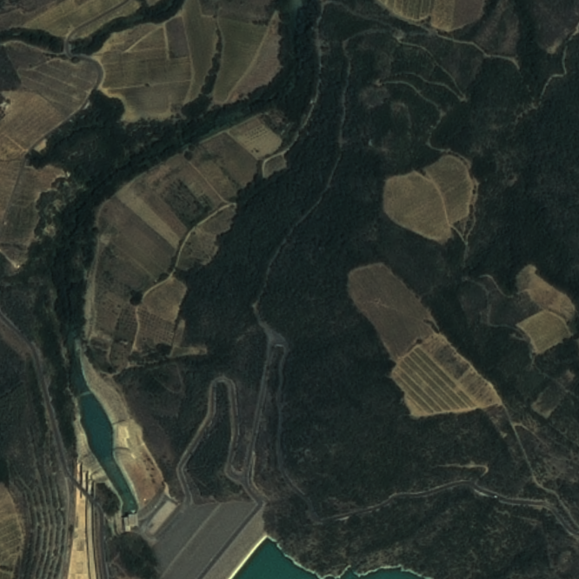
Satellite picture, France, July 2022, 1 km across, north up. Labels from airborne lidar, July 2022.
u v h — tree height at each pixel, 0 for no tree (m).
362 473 7
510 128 6
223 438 6
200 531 0
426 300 6
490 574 6
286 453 7
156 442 0
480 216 6
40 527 7
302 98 6
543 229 10
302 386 5
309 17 11
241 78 0
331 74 8
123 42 0
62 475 0
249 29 0
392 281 0
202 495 7
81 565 0
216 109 10
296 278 6
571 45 6
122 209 0
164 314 0
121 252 0
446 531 7
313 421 5
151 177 0
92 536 0
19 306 9
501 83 7
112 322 0
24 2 0
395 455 6
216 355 6
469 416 7
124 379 6
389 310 0
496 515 5
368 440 6
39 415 6
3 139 0
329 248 7
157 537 0
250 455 0
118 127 9
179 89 0
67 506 0
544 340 0
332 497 7
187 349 0
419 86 7
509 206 7
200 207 6
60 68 0
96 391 0
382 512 7
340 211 7
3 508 0
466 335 6
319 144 7
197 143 16
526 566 7
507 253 11
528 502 0
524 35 13
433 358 0
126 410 0
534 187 8
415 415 0
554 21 0
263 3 0
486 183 6
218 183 0
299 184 6
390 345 0
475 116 7
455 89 10
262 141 0
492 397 0
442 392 0
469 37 7
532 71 13
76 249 20
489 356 7
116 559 0
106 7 0
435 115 7
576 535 0
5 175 0
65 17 0
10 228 0
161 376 7
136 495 0
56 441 0
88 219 18
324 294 6
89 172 14
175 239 0
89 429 0
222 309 7
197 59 0
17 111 0
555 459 0
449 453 6
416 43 7
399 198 0
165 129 12
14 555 0
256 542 0
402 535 7
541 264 6
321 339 6
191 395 6
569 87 6
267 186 8
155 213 0
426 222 0
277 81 13
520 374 6
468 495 7
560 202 6
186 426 6
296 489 0
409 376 0
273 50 0
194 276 7
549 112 8
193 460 6
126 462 0
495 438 6
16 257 0
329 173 7
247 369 6
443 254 6
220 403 6
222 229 0
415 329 0
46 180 0
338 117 6
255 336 7
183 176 0
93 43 13
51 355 20
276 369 7
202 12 0
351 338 6
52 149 14
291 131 7
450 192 0
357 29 5
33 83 0
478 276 7
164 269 0
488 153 8
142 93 0
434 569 6
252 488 0
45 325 7
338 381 6
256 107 21
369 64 5
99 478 0
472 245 7
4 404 7
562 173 7
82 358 0
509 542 6
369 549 5
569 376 0
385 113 6
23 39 7
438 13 0
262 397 0
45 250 7
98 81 0
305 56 21
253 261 8
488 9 8
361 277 0
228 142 0
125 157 21
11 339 0
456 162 0
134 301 11
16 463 8
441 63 7
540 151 6
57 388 5
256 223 8
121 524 0
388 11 6
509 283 7
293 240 7
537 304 0
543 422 7
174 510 0
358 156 6
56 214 10
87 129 14
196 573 0
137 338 0
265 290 8
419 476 6
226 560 0
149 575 6
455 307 6
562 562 0
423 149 6
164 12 14
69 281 19
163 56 0
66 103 0
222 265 6
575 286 8
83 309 12
